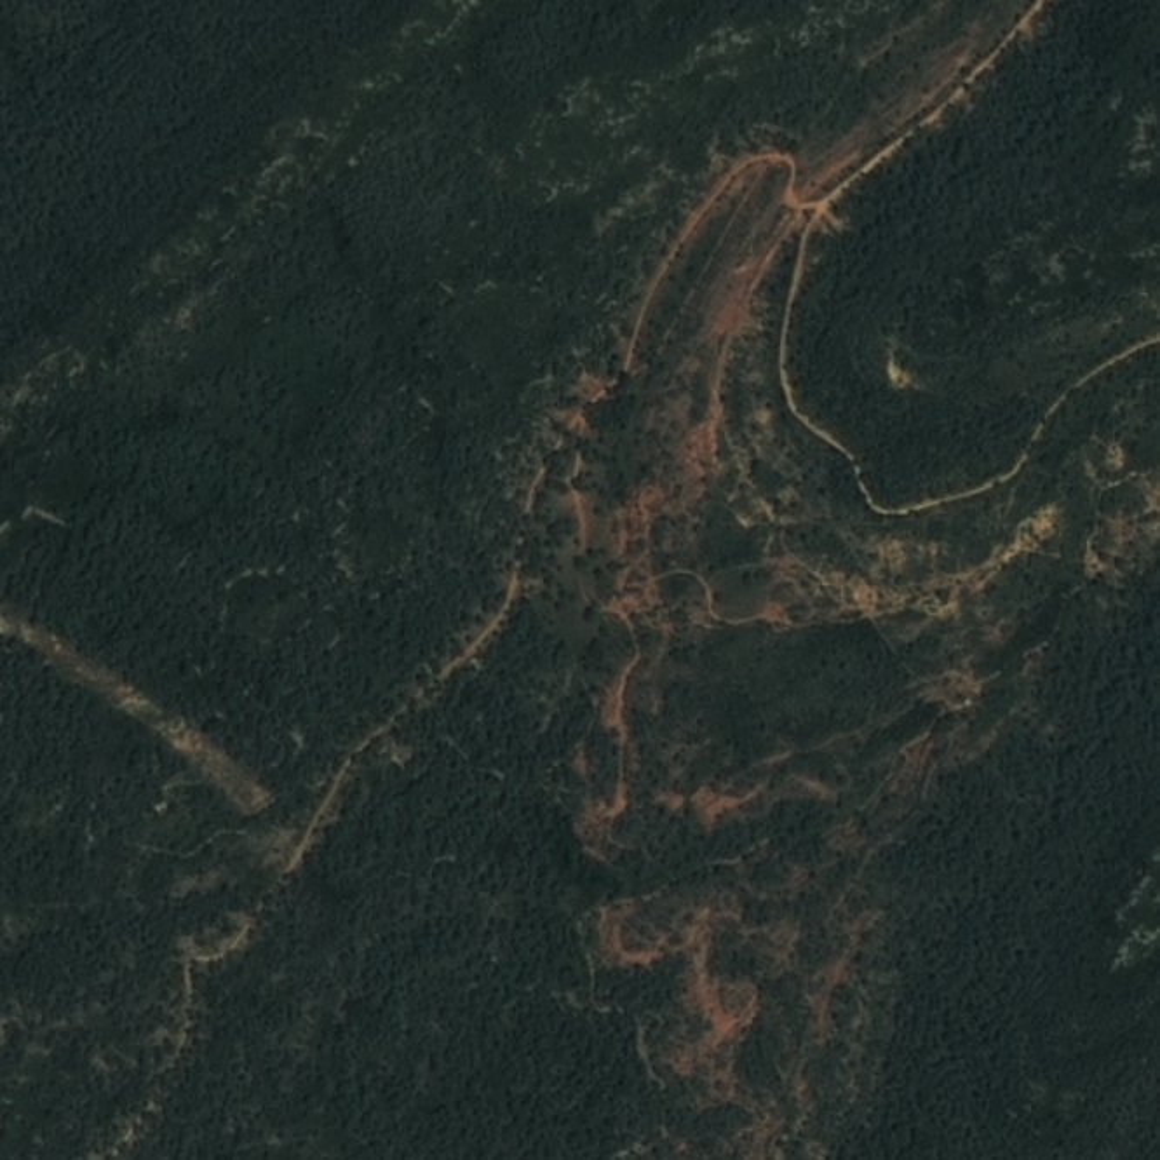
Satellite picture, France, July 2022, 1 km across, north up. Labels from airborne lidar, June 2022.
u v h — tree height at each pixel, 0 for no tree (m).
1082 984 8
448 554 14
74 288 7
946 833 8
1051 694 8
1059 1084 8
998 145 10
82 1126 9
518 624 15
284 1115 8
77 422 7
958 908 7
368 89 0
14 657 13
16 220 14
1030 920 9
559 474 15
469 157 8
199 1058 10
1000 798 9
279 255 10
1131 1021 7
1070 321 12
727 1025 0
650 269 11
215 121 7
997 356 8
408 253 8
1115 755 10
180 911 13
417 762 13
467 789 17
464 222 7
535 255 7
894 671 8
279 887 9
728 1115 6
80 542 13
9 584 7
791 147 11
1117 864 9
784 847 10
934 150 7
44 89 8
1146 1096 9
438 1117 11
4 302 8
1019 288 0
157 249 6
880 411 9
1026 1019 7
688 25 7
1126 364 6
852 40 12
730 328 0
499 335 0
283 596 11
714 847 10
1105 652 9
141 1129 8
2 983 10
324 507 11
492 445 9
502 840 16
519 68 8
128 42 8
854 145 0
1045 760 9
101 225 10
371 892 10
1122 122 8
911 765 0
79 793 10
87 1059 6
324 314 9
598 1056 14
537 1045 12
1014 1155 9
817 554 6
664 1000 10
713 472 0
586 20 11
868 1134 10
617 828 9
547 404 6
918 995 10
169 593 13
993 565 0
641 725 7
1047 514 0
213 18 9
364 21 10
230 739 11
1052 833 8
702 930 0
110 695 0
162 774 10
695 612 0
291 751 12
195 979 9
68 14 8
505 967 10
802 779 0
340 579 8
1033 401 6
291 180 0
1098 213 6
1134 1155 6
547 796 16
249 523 16
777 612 0
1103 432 8
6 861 13
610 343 11
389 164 10
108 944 13
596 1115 16
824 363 6
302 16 8
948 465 9
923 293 11
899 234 14
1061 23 9
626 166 0
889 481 8
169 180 8
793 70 9
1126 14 11
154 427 10
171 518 12
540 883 12
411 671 10
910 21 10
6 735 12
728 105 7
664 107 0
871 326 7
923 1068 15
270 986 9
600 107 0
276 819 7
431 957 17
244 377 9
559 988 12
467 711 17
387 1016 16
